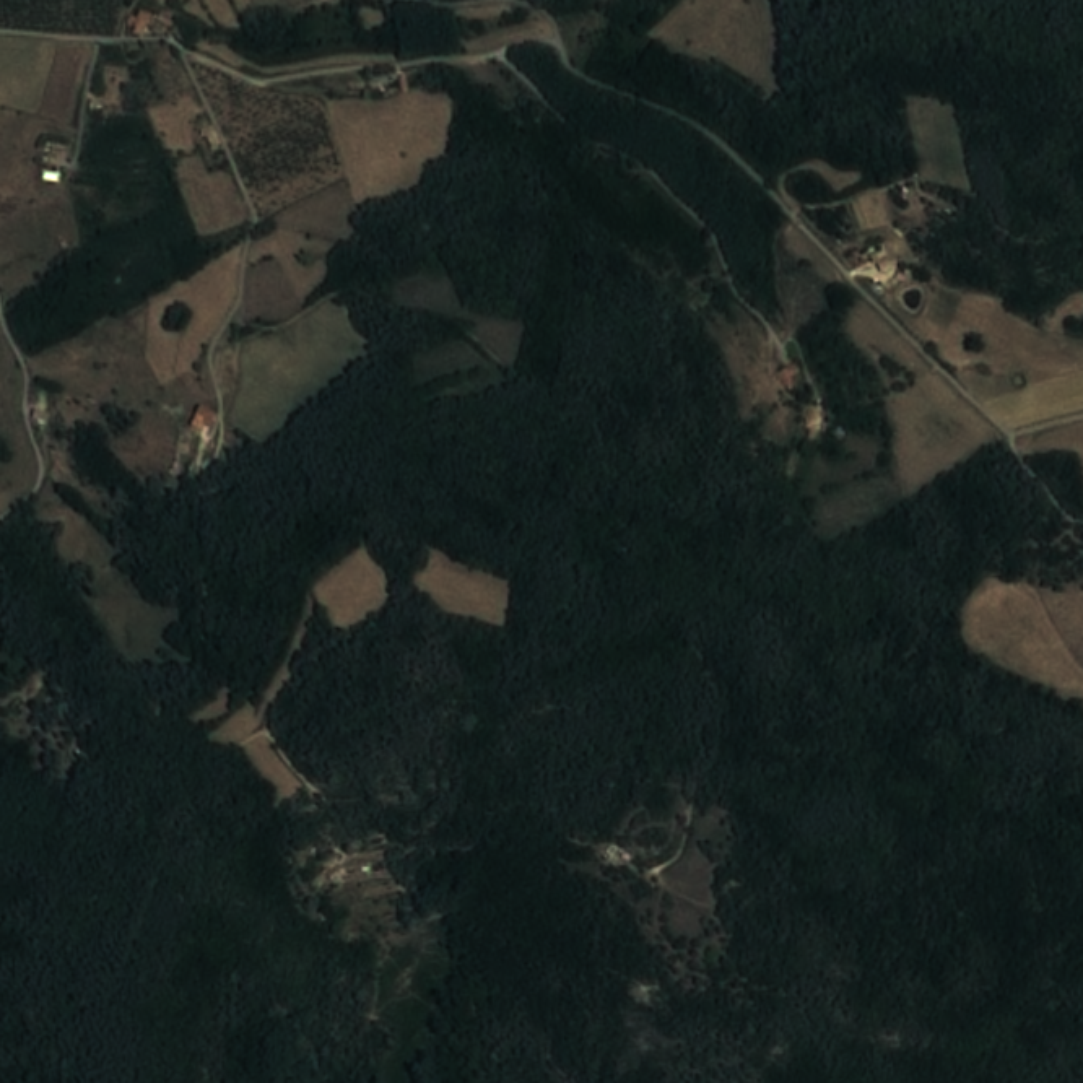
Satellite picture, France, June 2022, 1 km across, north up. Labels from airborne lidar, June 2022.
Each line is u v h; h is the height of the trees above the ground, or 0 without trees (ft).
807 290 0
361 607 0
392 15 36
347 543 38
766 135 35
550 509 40
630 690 49
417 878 24
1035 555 25
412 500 54
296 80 0
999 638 0
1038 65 52
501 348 0
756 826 43
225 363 0
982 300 0
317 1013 39
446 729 29
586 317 58
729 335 0
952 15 64
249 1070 63
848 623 52
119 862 54
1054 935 46
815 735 40
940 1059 40
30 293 30
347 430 79
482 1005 31
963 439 0
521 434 65
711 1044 28
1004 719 66
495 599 0
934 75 41
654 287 40
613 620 40
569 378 45
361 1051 37
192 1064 31
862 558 48
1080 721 32
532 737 30
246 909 25
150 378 0
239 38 28
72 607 37
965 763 44
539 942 27
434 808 56
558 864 28
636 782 37
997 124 41
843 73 60
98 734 49
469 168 61
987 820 44
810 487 0
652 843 21
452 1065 31
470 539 59
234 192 0
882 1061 32
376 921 20
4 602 54
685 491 60
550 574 52
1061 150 38
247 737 0
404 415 59
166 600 38
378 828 26
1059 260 19
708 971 23
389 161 0
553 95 45
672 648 40
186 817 31
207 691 61
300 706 36
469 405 45
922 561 45
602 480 59
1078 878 43
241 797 33
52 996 61
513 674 45
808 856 52
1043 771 53
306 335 0
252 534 61
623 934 25
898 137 48
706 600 63
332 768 40
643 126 45
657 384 49
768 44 0
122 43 0
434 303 0
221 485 52
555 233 37
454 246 55
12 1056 39
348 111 0
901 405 0
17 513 42
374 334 36
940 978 39
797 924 31
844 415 23
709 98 41
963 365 0
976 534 42
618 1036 24
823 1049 43
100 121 0
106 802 54
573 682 36
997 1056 38
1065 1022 38
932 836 46
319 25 0
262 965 28
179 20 37
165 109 0
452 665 43
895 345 0
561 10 31
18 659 30
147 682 59
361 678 29
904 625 36
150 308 0
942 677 45
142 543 49
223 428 0
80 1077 36
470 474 59
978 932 19
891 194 20
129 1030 57
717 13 0
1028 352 0
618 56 24
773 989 23
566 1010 32
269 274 0
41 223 0
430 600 40
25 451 0
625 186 35
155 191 0
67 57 0
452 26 60
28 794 57
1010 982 42
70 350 0
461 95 31
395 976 0
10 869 31
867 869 50
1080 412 0
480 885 43
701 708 49
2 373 0
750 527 55
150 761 48
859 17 82
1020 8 59
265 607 35
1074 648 0
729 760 34
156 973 50
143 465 0
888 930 31
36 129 0
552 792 37
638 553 48
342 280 30
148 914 37
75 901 67
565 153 30
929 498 43
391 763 33
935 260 25
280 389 0
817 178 30
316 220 0
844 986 29
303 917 25
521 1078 39
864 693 46
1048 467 33
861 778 47
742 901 34
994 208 39
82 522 0
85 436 24
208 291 0
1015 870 29
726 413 49
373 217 45
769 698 35
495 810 35
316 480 67
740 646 58
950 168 0
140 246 0
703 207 41
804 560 55
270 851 44
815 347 22
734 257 43
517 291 57
